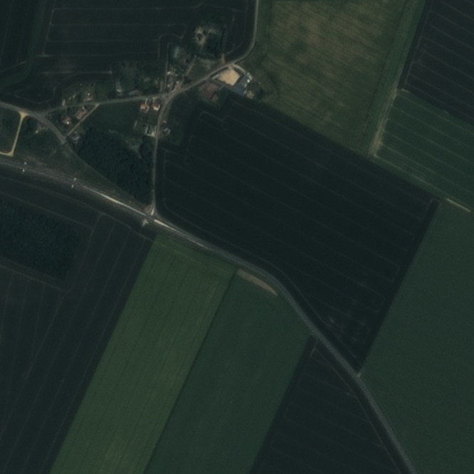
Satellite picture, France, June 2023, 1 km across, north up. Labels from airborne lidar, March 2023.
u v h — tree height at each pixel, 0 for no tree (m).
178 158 0
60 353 0
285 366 0
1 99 0
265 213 0
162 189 0
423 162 0
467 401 0
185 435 0
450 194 0
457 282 0
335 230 0
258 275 0
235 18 0
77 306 0
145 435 0
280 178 0
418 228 0
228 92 0
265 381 0
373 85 0
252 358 0
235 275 0
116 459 0
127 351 0
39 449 0
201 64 0
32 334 0
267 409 0
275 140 0
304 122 0
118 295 0
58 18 0
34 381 0
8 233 12
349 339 0
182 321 0
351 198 0
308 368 0
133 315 0
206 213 0
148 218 0
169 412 0
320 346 0
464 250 0
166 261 0
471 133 0
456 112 0
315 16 0
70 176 0
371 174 0
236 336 0
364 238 0
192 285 0
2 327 0
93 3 0
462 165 0
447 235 0
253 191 0
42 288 0
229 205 0
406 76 0
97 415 0
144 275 0
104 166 17
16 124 0
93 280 0
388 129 0
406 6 0
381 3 0
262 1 0
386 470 0
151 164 18
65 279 7
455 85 0
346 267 0
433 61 0
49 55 0
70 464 0
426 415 0
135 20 0
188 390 0
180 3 0
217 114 0
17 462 0
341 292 0
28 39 0
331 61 0
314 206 0
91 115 0
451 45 0
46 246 14
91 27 0
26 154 0
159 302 0
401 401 0
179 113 0
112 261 0
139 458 0
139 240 0
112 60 0
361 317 0
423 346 0
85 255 0
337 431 0
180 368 0
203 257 0
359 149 0
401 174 0
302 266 0
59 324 0
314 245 0
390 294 0
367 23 0
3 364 0
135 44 0
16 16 0
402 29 0
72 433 0
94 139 19
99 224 0
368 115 0
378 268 0
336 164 0
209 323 0
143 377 0
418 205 0
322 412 0
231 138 0
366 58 0
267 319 0
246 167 0
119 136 0
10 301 0
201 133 0
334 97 0
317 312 0
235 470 0
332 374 0
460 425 0
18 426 0
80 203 0
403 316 0
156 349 0
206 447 0
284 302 0
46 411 0
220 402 0
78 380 0
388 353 0
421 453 0
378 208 0
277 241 0
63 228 17
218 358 0
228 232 0
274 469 0
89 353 0
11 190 0
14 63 0
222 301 0
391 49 0
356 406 0
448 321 0
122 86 12
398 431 0
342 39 0
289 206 0
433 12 0
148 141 17
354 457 0
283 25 0
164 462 0
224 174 0
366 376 0
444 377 0
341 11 0
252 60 0
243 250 0
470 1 0
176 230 0
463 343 0
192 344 0
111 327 0
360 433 0
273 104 0
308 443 0
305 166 0
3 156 0
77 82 0
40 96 0
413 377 0
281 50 0
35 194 0
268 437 0
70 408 0
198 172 0
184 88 0
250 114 0
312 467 0
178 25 0
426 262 0
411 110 0
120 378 0
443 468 0
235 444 0
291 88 0
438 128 0
